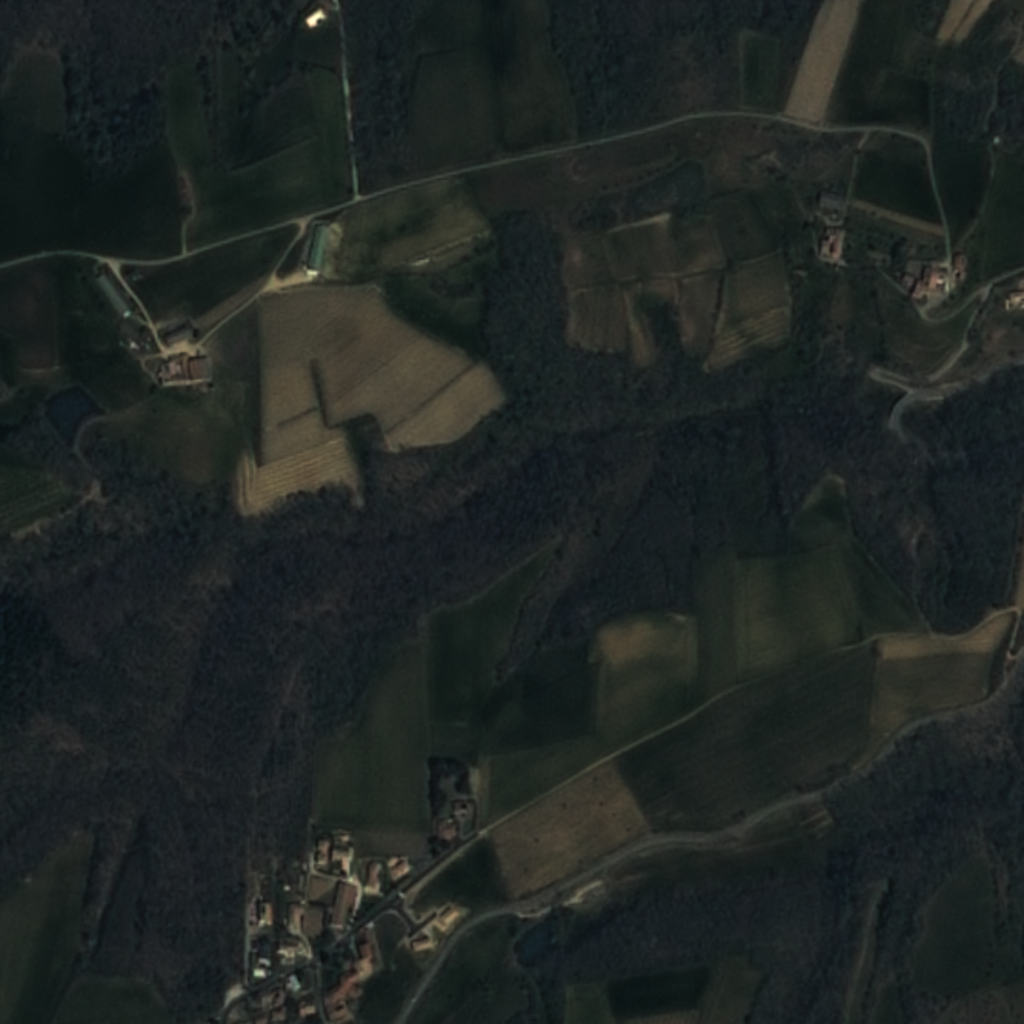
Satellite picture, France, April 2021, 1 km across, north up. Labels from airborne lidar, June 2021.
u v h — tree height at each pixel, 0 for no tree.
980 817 15
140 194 0
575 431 27
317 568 16
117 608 18
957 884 0
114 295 0
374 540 27
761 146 0
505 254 15
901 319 0
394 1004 0
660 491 7
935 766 17
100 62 24
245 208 0
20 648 24
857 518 12
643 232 0
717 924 13
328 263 0
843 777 8
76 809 18
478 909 0
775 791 0
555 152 0
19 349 0
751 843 0
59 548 15
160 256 0
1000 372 8
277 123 0
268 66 0
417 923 0
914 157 0
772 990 12
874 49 0
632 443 6
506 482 23
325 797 0
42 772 21
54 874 0
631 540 8
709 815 0
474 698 0
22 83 0
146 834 20
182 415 0
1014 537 8
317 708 6
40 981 0
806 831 0
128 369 0
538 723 0
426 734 0
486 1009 0
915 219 0
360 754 0
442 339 0
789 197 0
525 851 0
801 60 0
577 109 0
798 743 0
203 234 0
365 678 13
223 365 0
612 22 21
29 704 20
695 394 16
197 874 24
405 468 11
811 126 0
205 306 0
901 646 0
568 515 11
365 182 6
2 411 0
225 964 9
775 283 0
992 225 0
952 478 18
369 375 0
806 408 13
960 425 28
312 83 0
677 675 0
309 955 0
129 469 25
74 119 6
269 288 0
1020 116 18
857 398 19
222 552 17
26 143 0
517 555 12
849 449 12
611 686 0
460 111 0
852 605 0
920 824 15
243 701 14
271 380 0
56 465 11
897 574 13
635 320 0
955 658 0
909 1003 9
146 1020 0
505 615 0
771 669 0
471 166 0
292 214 0
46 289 0
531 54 0
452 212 0
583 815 0
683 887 11
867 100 0
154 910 13
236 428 0
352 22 12
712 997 0
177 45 15
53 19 17
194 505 9
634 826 0
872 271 8
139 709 17
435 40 0
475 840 0
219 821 13
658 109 0
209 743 16
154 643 15
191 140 0
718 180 0
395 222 0
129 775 24
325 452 0
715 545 9
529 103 0
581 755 0
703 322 0
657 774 0
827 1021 14
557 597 8
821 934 17
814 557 0
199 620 23
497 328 18
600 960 16
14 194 0
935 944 0
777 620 0
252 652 14
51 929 0
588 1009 0
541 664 0
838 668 0
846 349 8
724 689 0
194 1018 13
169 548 24
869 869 14
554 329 11
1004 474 21
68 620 21
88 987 0
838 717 0
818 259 7
